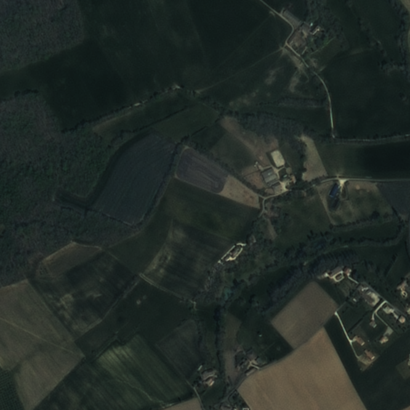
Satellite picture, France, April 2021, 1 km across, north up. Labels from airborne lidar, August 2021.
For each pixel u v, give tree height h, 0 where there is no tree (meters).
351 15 0
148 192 0
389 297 0
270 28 0
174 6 0
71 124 0
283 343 0
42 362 0
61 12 12
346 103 0
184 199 0
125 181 0
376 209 0
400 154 0
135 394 0
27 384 0
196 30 0
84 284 0
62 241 19
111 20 0
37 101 22
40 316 0
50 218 12
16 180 19
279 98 0
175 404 0
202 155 11
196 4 0
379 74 0
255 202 0
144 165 0
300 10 0
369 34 12
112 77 0
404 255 0
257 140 0
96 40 0
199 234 0
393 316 11
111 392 0
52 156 22
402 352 0
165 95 12
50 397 0
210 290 15
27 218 11
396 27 0
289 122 20
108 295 0
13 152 18
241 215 0
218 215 0
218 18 0
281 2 0
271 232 0
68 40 17
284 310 0
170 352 0
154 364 0
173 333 0
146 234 0
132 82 0
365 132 0
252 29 0
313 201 0
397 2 15
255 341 0
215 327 0
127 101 0
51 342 0
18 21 23
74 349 0
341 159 0
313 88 0
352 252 0
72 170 20
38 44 19
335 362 0
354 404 0
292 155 0
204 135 0
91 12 0
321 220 0
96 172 18
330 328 0
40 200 8
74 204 0
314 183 11
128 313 0
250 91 0
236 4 0
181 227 0
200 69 0
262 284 0
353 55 0
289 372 0
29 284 0
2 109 16
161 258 0
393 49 0
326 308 0
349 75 0
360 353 0
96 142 21
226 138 0
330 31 12
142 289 0
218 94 0
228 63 0
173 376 0
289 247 0
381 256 0
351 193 0
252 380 0
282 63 0
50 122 19
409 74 12
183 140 10
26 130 20
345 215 0
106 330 0
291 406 0
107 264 0
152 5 0
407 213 0
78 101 0
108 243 11
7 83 0
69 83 0
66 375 0
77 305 0
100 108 0
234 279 0
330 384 0
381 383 0
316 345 0
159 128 0
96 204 0
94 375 0
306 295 0
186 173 0
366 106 0
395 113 0
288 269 0
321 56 0
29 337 0
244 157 0
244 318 0
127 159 0
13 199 17
